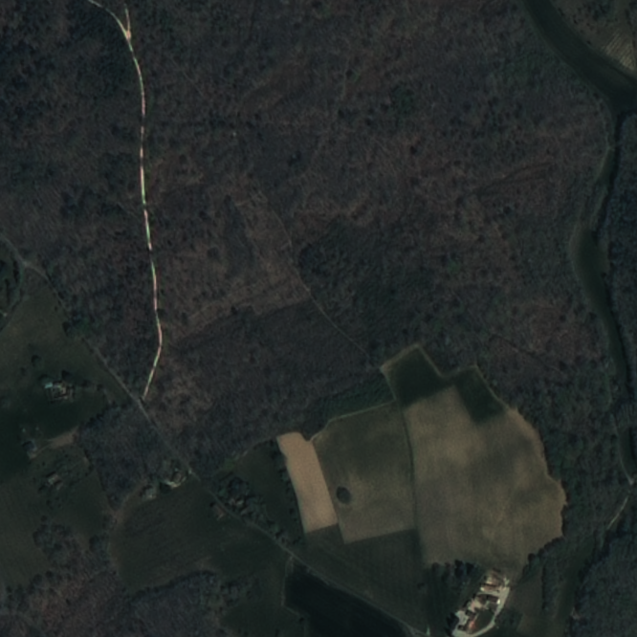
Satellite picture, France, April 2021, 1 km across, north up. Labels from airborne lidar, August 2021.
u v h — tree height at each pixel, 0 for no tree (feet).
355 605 0
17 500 0
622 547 96
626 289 43
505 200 20
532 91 49
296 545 26
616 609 63
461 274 48
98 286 60
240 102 43
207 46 29
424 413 0
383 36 26
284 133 44
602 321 57
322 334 35
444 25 69
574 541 61
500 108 61
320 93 43
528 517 0
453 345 71
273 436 50
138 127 31
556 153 29
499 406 0
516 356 22
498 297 73
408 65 28
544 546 0
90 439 72
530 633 0
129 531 0
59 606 18
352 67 24
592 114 54
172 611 60
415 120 45
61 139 43
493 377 47
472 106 36
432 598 0
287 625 0
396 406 0
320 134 58
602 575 88
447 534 0
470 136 29
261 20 41
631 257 65
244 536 0
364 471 0
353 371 26
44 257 45
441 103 48
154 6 42
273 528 50
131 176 28
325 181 35
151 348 34
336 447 0
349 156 34
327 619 0
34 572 0
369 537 0
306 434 35
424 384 0
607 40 0
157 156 65
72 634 26
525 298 64
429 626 0
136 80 38
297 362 36
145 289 38
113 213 56
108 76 44
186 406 77
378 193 67
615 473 68
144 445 82
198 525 0
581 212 71
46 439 0
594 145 56
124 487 79
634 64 0
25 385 0
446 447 0
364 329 20
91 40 44
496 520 0
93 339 63
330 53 56
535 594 0
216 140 34
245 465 0
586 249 0
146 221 43
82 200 36
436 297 31
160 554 0
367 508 0
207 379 37
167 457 61
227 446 73
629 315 68
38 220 73
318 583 0
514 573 0
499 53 49
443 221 19
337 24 35
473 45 47
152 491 42
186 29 66
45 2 35
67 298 64
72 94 46
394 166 57
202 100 44
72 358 0
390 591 0
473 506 0
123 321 27
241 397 33
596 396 99
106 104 41
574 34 0
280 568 0
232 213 61
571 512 52
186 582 51
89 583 27
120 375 38
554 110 47
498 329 51
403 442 0
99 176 42
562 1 0
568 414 71
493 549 0
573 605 0
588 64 0
